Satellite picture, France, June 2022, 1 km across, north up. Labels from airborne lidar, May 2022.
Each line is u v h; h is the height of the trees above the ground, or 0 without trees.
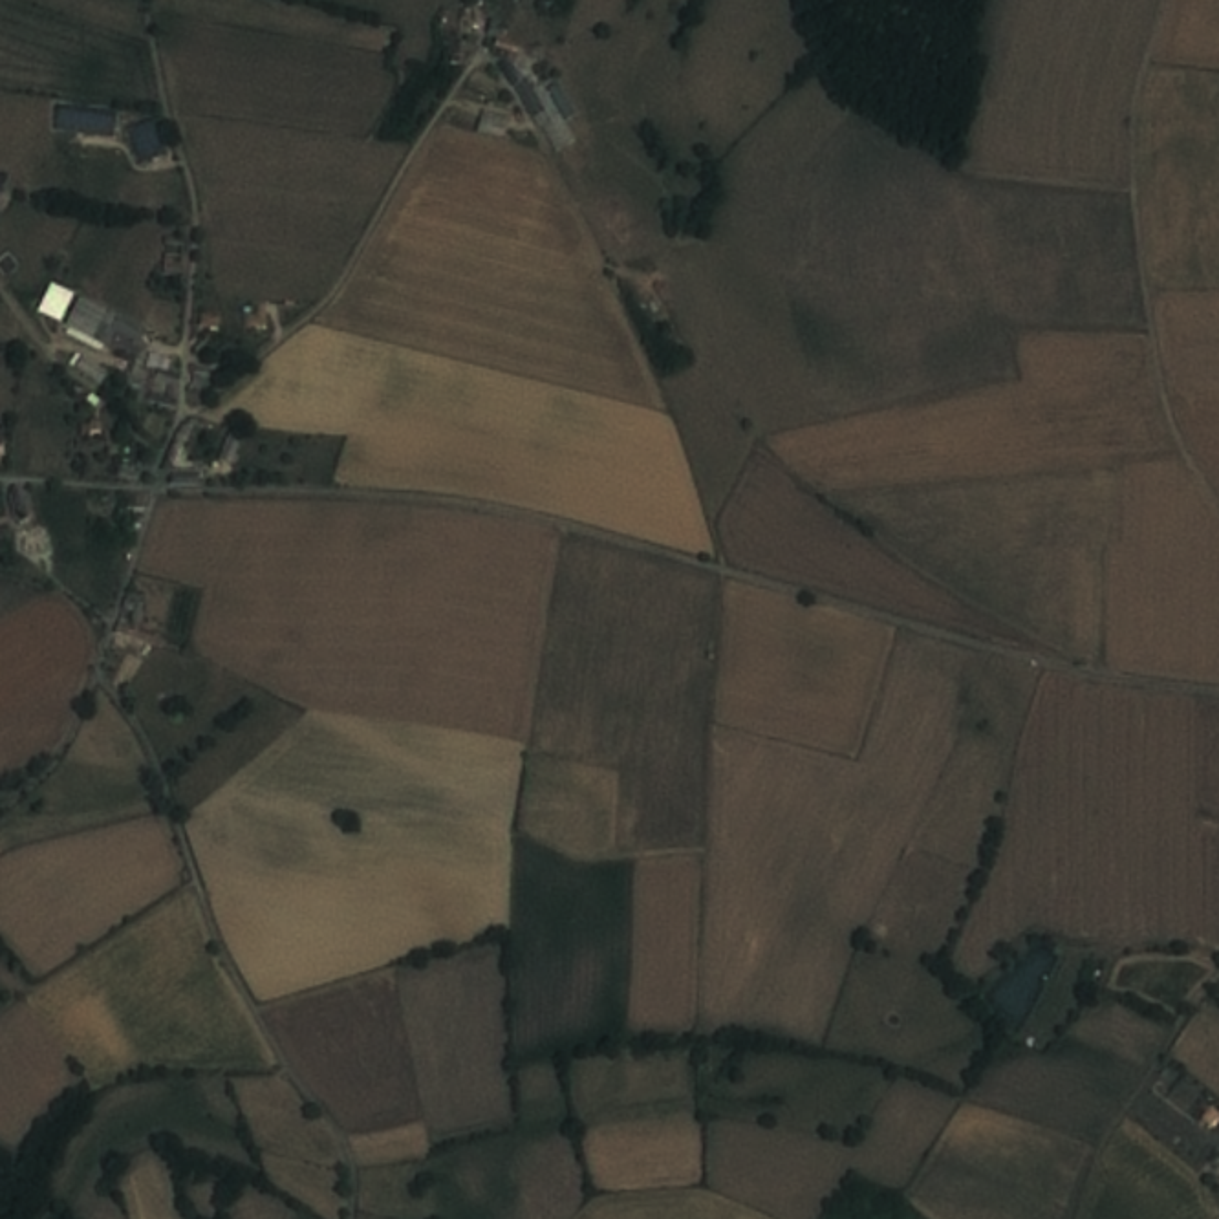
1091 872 0
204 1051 0
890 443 0
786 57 0
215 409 8
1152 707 0
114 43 0
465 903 0
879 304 0
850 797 0
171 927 0
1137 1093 0
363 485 0
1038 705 0
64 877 0
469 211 0
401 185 0
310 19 0
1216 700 0
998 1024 10
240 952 0
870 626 0
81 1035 0
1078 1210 0
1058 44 0
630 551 0
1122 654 0
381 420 0
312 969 0
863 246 0
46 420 0
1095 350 0
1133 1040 0
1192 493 0
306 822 0
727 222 0
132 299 0
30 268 0
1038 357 0
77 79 0
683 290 0
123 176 0
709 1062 0
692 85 0
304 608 0
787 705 0
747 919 0
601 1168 0
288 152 0
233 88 0
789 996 0
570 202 0
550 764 0
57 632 0
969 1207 0
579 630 0
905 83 19
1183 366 0
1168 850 0
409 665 0
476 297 0
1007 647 0
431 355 0
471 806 0
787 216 0
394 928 0
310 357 0
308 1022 0
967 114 16
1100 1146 0
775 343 0
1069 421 0
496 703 0
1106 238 0
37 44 0
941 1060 0
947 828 0
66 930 0
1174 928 0
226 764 0
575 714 0
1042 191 0
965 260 0
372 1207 0
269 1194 10
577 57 0
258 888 0
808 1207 0
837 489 0
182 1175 9
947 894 0
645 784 0
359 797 0
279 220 0
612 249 0
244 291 0
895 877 0
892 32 20
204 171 0
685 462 0
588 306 0
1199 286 0
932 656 0
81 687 0
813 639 0
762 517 0
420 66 11
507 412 0
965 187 0
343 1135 0
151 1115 0
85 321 0
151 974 0
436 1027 0
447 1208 0
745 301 0
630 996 0
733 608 0
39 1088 0
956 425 0
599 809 0
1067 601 0
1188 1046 0
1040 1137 0
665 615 0
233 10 0
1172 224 0
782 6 0
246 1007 0
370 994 0
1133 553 0
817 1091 0
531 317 0
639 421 0
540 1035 0
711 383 0
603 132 0
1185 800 0
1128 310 0
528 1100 0
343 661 0
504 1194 0
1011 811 0
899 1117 0
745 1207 0
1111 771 0
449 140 0
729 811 0
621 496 0
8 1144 0
